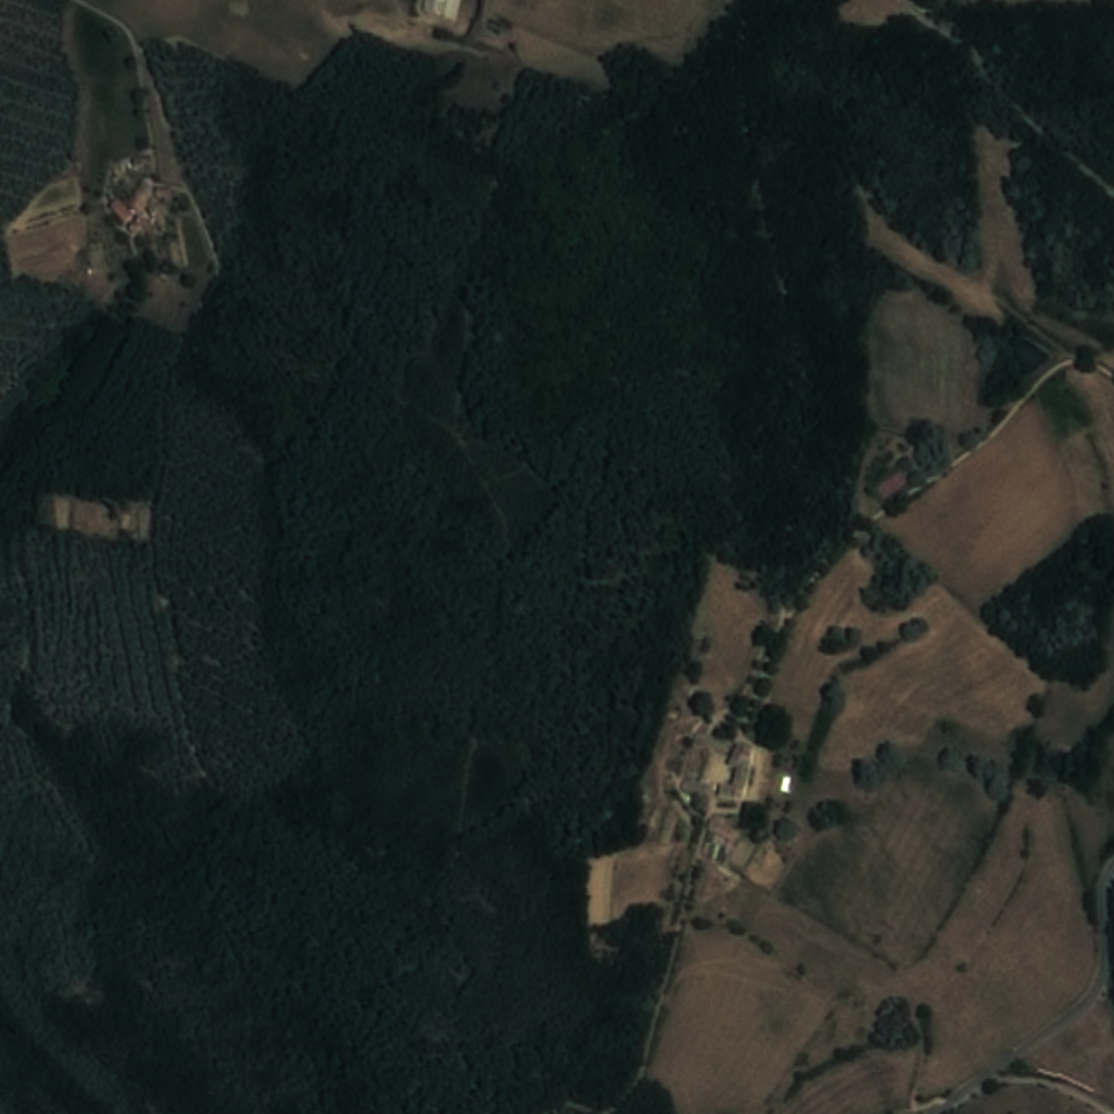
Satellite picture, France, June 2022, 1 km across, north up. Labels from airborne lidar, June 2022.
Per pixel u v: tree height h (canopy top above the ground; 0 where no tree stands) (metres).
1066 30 13
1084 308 14
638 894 0
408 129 17
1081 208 10
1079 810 0
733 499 16
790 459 14
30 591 9
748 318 15
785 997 0
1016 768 11
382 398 26
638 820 16
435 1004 20
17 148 10
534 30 0
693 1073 0
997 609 16
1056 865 0
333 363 14
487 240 13
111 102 0
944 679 0
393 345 24
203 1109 11
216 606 15
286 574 20
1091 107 9
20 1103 6
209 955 15
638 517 26
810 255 17
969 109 17
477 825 7
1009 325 6
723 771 0
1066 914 0
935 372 0
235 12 0
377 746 11
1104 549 19
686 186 14
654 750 8
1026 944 0
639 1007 10
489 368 20
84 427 20
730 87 12
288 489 19
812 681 0
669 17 0
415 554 14
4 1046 11
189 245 0
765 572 14
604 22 0
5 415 12
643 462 25
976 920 0
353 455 27
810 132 13
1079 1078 0
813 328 18
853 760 0
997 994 0
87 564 6
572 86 16
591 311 11
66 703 10
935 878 0
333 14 0
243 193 12
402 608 10
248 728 17
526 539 6
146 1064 10
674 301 12
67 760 15
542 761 14
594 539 22
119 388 20
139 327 19
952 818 0
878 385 0
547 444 17
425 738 6
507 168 7
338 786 11
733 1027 0
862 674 0
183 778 10
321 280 10
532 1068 22
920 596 13
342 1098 14
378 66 18
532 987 15
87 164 0
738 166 14
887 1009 9
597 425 24
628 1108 9
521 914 15
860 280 12
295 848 24
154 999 17
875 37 12
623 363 11
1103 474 0
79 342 15
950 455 12
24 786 7
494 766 6
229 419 15
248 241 17
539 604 25
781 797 0
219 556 16
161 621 12
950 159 16
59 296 12
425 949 20
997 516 0
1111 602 18
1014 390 14
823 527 17
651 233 9
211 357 10
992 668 0
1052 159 11
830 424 20
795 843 14
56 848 8
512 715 21
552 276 14
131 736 8
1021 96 14
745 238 15
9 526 14
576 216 14
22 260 0
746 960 0
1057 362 0
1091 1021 0
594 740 13
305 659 9
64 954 11
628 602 19
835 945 0
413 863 15
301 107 12
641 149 14
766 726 15
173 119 13
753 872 0
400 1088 20
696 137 11
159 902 12
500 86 11
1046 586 17
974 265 20
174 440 17
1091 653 15
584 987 10
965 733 0
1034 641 13
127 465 16
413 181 8
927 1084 0
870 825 0
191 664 16
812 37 14
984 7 15
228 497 17
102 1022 12
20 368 13
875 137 14
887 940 0
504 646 22
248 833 18
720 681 0
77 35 0
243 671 16
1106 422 0
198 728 15
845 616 0
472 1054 25
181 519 17
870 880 0
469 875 15
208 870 12
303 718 14
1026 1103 0
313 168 10
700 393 22
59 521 0
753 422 15
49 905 12
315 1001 20
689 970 0
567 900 12
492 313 23
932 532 0
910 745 0
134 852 6
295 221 11
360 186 17
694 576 16
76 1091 13
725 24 10
